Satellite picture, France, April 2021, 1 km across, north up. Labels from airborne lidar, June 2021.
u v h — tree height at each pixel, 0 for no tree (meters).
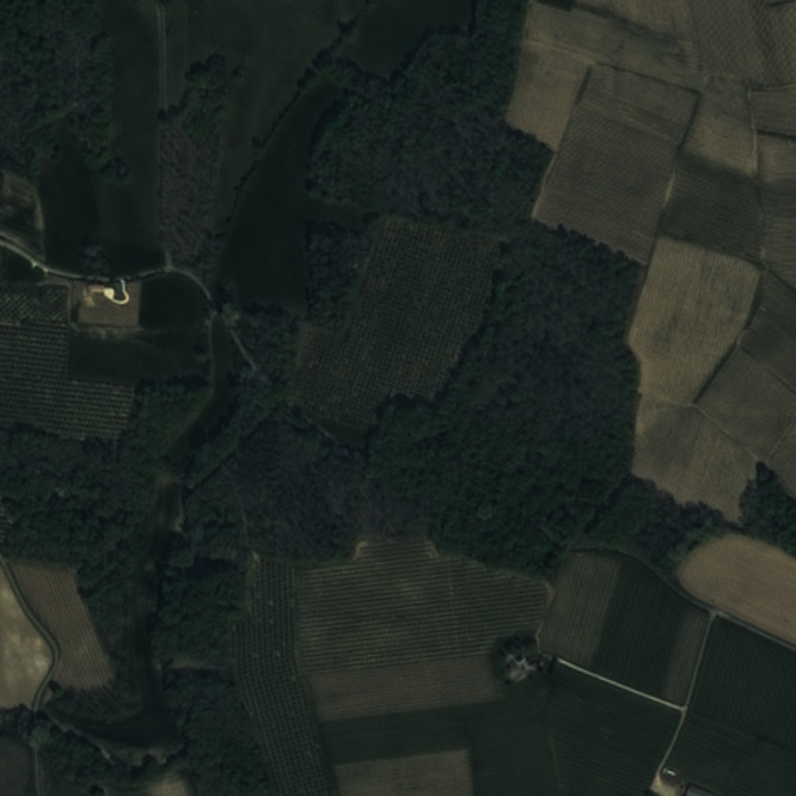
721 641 0
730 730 0
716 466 0
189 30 0
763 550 0
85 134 22
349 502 15
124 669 20
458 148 22
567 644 0
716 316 0
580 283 21
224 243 9
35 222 0
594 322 19
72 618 0
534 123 0
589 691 0
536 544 29
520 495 26
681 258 0
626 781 0
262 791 22
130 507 17
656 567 15
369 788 0
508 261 19
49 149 22
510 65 25
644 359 0
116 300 0
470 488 21
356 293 11
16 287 0
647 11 0
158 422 23
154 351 0
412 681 0
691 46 0
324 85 0
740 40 0
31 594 0
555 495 24
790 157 0
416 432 25
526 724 0
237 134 0
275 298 0
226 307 22
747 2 0
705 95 0
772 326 0
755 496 20
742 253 0
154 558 0
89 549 22
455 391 19
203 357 15
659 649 0
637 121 0
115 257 0
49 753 20
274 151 0
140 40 0
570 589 0
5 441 16
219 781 27
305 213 0
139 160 0
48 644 0
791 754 0
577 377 16
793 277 0
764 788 0
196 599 28
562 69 0
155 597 0
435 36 17
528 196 16
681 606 0
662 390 0
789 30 0
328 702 0
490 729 0
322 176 13
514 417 24
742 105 0
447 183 13
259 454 22
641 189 0
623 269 15
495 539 22
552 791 0
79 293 0
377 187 15
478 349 23
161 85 0
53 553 17
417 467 22
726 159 0
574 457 26
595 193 0
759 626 0
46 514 23
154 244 0
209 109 23
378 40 0
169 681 12
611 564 0
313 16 0
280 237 0
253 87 0
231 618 15
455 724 0
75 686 0
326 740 0
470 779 0
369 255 12
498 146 19
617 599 0
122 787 13
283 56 0
